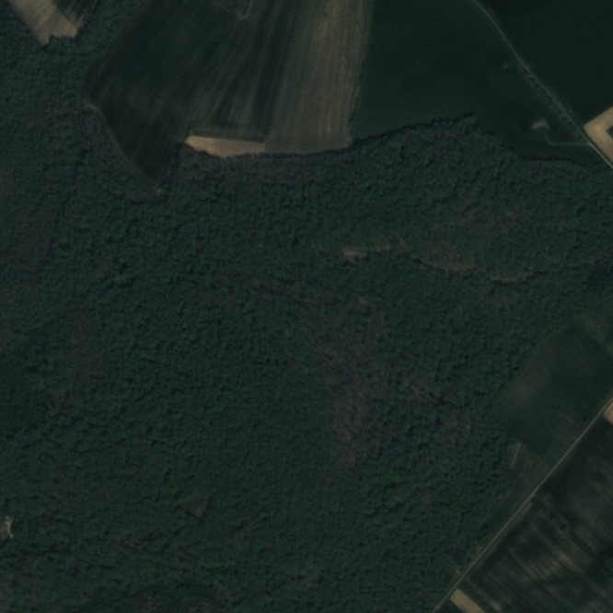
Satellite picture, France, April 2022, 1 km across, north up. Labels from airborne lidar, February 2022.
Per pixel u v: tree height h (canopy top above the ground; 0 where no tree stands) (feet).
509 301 88
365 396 101
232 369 53
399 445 87
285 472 72
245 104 0
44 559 86
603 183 35
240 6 0
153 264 75
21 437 81
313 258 66
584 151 0
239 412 62
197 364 67
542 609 0
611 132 0
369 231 76
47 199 50
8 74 66
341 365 94
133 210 73
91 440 86
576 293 78
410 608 61
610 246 73
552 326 77
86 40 78
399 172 76
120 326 64
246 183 79
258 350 67
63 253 73
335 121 0
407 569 74
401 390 92
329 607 69
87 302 64
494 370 97
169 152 0
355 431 58
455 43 0
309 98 0
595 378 0
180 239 69
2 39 67
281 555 70
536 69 0
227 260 77
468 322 64
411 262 77
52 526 98
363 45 0
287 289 57
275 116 0
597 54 0
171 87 0
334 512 77
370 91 0
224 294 84
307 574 84
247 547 90
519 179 63
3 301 65
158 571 90
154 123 0
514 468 0
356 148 40
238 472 70
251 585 75
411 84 0
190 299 77
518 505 0
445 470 76
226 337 71
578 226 77
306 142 0
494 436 30
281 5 0
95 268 72
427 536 82
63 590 100
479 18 0
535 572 0
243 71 0
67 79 81
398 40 0
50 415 89
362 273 65
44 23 0
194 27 0
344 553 78
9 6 60
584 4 0
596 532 0
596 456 0
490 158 79
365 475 76
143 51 0
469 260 80
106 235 99
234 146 0
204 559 98
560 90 0
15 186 37
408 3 0
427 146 74
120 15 84
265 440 70
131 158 0
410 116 0
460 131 80
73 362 56
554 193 73
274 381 70
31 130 20
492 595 0
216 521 82
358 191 71
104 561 105
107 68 0
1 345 55
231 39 0
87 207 78
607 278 68
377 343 86
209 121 0
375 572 67
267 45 0
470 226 82
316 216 77
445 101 0
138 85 0
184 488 69
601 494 0
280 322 89
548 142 0
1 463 79
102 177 73
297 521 84
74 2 0
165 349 65
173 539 91
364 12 0
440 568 80
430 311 75
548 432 0
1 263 60
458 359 54
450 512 87
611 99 0
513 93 0
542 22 0
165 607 19
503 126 0
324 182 89
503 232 88
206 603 25
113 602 19
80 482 94
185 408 69
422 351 81
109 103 0
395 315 83
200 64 0
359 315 83
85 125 25
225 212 87
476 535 71
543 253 76
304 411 69
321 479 84
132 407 64
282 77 0
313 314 81
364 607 78
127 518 95
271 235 76
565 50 0
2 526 0
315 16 0
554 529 0
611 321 0
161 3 0
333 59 0
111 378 49
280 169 80
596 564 0
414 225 80
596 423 0
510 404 0
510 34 0
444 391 97
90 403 75
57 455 93
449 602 0
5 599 96
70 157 63
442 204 79
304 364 87
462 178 63
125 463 69
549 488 0
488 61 0
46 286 45
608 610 0
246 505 72
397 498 62
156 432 67
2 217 36
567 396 0
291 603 67
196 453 62
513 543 0
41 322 48
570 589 0
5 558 29
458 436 81
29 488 91
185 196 84
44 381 95
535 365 0
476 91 0
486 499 65
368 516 80
